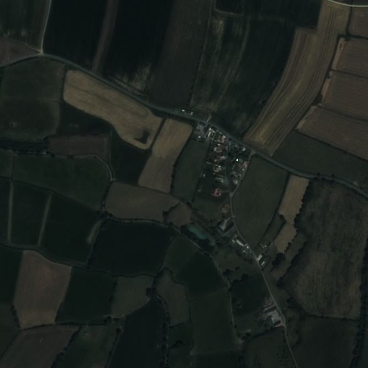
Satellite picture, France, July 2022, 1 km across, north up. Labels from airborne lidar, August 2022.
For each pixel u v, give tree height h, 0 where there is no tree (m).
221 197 0
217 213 0
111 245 0
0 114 0
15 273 0
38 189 0
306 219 0
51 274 0
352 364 11
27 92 0
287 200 0
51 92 0
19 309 0
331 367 0
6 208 0
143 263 0
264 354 0
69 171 0
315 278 0
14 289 0
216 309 0
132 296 0
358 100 0
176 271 0
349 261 0
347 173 0
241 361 14
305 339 0
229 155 13
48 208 0
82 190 0
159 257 0
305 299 0
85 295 0
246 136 0
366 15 0
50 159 0
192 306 0
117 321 12
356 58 0
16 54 0
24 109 0
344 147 0
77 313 0
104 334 0
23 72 0
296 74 0
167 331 12
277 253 0
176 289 0
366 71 0
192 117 0
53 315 0
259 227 0
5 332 0
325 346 0
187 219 0
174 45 0
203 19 0
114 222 6
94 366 0
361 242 0
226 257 0
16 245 0
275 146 0
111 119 0
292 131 0
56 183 0
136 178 0
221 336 0
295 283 0
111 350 8
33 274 0
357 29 0
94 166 0
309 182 8
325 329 0
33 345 0
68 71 0
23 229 0
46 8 0
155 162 0
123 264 0
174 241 0
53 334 0
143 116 0
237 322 0
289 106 0
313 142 0
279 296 0
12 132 0
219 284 0
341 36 0
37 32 0
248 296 0
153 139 0
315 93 0
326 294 0
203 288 0
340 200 0
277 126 0
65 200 0
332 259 0
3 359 0
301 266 0
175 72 0
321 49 0
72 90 0
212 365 0
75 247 0
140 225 0
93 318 0
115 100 0
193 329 0
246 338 10
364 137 0
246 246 0
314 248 0
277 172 0
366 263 15
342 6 0
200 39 0
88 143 0
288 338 0
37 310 0
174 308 0
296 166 0
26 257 0
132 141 0
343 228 0
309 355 0
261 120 0
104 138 0
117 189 0
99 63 0
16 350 0
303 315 6
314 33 0
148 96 0
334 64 0
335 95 0
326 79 0
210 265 0
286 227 0
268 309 0
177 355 0
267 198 0
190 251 0
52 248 0
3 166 0
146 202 0
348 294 0
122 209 0
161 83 0
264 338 0
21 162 0
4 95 0
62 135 0
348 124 0
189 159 0
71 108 0
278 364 0
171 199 0
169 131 0
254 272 0
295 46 0
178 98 0
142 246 0
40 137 0
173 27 0
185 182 0
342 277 0
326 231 0
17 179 0
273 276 0
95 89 0
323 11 0
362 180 0
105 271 0
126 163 0
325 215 0
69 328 0
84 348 0
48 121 0
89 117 0
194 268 0
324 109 0
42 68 0
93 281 0
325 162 0
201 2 0
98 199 0
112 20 0
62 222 0
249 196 0
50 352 0
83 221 0
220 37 0
